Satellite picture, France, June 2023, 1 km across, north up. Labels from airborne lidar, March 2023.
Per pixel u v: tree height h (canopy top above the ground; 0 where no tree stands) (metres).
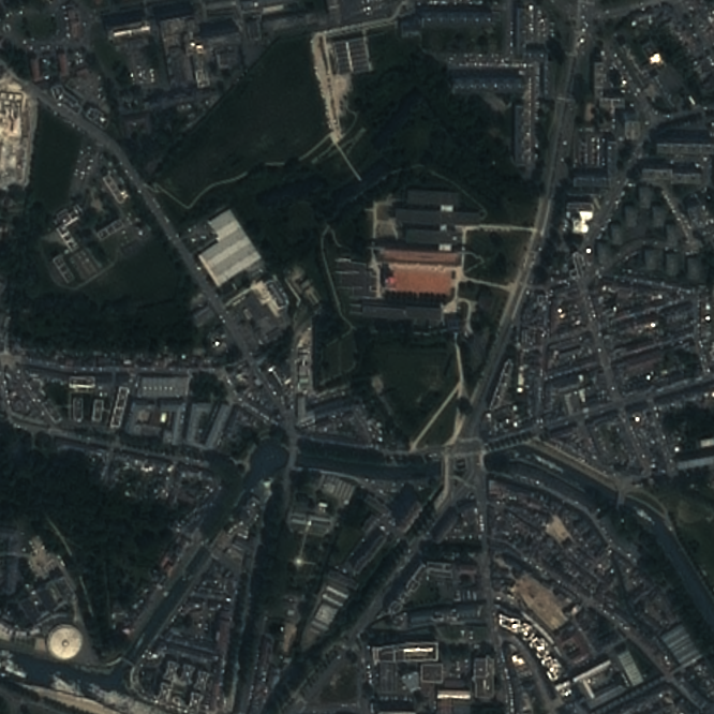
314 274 0
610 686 0
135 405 0
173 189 0
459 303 0
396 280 0
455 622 0
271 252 15
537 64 0
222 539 0
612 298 6
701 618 20
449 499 0
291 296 9
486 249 0
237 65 6
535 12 0
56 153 0
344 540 0
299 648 12
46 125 0
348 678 0
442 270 0
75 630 0
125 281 0
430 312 0
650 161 0
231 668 12
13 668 0
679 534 10
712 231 0
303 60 0
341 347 0
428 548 17
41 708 0
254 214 0
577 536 0
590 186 7
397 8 0
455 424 0
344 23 0
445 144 16
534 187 16
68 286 0
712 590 9
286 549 27
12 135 0
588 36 0
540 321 0
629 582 0
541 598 0
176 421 0
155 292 0
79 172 0
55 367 0
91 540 14
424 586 0
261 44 0
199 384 13
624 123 0
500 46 0
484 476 0
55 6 0
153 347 13
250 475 0
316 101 0
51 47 0
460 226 0
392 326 18
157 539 16
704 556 0
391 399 0
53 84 0
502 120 22
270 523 23
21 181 0
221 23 0
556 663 0
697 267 0
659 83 0
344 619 14
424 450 0
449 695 0
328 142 0
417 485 0
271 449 0
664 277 0
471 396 0
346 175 0
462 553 12
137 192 12
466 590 0
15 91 0
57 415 0
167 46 0
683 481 9
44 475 28
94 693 0
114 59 0
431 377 0
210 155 0
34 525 11
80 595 18
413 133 0
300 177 13
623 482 0
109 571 15
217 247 0
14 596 14
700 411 15
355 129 0
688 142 0
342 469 0
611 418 0
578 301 0
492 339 6
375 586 13
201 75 0
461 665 0
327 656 6
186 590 0
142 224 7
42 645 0
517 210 0
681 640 0
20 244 16
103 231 0
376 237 0
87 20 0
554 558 5
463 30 0
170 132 18
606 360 0
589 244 0
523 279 0
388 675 0
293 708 0
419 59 15
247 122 0
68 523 13
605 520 0
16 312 12
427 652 0
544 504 0
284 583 18
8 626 0
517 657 0
